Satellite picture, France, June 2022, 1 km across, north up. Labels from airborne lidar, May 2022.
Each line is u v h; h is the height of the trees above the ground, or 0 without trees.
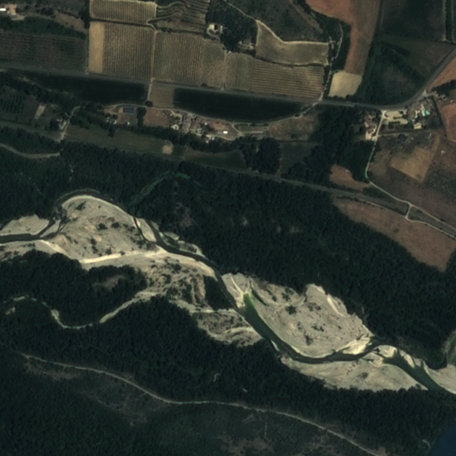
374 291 11
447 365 0
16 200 19
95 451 21
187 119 0
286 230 15
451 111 0
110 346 21
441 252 0
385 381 0
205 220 7
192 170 23
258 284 0
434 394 9
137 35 0
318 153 28
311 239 10
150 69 0
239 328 0
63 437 21
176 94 0
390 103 10
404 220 0
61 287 20
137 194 8
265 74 0
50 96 16
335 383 0
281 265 16
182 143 15
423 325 14
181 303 0
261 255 12
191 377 22
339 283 9
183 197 8
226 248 10
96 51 0
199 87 0
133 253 0
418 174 0
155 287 0
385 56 13
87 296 21
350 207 0
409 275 27
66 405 12
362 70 0
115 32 0
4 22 10
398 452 11
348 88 0
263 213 11
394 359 0
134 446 14
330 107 16
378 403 21
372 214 0
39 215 22
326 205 20
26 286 19
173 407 7
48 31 6
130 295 6
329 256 7
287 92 0
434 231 0
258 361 18
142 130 8
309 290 0
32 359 9
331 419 10
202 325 0
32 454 26
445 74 0
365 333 0
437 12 0
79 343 19
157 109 0
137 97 0
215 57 0
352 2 0
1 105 9
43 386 10
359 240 13
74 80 0
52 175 17
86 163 6
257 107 0
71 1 0
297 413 8
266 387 19
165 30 9
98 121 10
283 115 0
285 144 0
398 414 27
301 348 0
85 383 6
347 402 20
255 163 27
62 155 14
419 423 15
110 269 14
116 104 0
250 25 7
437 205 0
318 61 0
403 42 0
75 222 0
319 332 0
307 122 0
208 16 10
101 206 0
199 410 8
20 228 0
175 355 20
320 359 0
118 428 9
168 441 7
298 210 12
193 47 0
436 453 0
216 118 0
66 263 15
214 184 22
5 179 10
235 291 0
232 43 15
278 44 0
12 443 27
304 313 0
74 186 14
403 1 0
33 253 17
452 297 19
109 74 0
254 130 0
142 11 0
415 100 0
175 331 19
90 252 0
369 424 15
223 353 17
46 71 0
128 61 0
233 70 0
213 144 13
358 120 11
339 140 7
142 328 24
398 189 0
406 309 11
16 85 19
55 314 0
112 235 0
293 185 11
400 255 11
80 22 0
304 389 10
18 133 19
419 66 0
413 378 0
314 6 0
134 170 18
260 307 0
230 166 0
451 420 7
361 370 0
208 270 0
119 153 18
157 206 24
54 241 0
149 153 0
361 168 9
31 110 0
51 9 9
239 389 13
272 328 0
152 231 0
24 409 19
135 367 15
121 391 11
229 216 15
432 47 0
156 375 17
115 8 0
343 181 0
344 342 0
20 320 24
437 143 0
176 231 15
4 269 18
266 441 9
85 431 14
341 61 8
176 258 0
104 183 8
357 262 7
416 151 0
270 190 22
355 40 0
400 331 15
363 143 12
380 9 0
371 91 9
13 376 16
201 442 10
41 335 30
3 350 18
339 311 0
